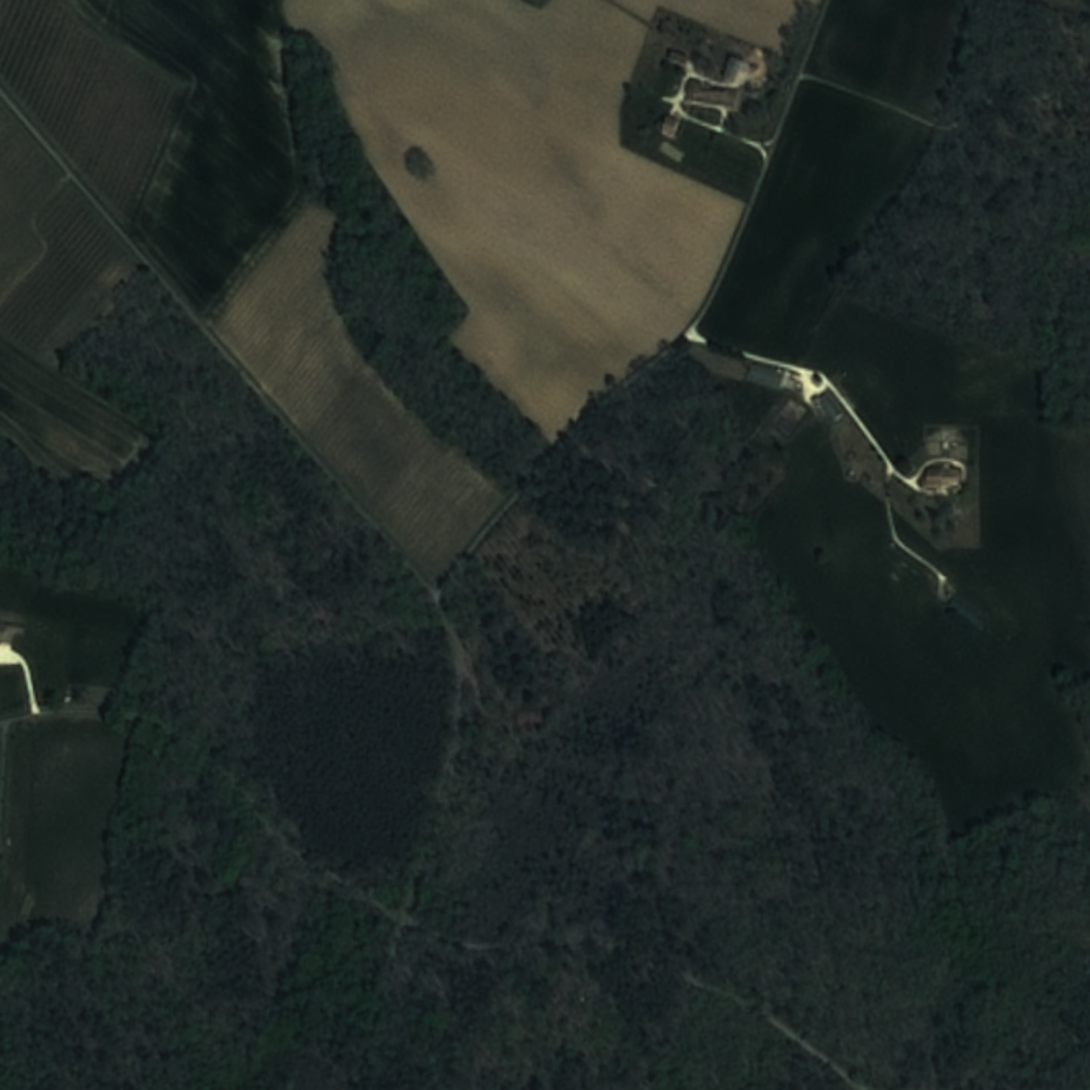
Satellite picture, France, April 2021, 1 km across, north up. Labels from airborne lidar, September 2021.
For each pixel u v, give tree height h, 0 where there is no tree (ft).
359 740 72
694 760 61
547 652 31
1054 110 42
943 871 52
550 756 48
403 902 63
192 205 0
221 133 0
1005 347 64
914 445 0
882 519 0
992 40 60
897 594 0
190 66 0
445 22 0
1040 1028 63
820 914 68
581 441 67
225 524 61
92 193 0
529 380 0
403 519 0
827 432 0
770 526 0
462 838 47
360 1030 77
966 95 48
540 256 0
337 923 76
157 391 66
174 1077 61
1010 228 51
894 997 62
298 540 54
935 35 0
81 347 36
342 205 67
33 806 0
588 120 0
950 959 63
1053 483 0
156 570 62
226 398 55
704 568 61
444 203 0
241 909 84
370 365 39
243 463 69
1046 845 56
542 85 0
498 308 0
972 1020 64
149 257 0
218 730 65
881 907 52
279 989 49
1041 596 0
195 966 74
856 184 0
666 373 53
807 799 66
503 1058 59
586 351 0
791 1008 34
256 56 0
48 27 0
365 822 69
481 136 0
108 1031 76
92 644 0
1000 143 61
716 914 57
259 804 64
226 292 0
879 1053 63
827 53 0
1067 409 75
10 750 0
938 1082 34
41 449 0
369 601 52
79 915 0
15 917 0
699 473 71
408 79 0
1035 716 0
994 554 0
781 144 0
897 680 0
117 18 0
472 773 52
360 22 0
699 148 0
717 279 0
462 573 45
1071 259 60
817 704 41
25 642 0
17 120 0
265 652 56
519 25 0
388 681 72
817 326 23
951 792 0
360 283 55
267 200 0
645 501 44
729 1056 73
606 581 22
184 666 58
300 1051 25
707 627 40
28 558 52
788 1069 34
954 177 52
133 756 36
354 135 56
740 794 47
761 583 49
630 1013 74
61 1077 67
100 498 58
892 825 66
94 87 0
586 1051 34
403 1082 74
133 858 59
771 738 68
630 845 58
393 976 56
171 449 52
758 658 38
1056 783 0
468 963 53
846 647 0
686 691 35
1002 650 0
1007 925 41
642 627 41
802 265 0
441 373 56
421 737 73
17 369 0
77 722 0
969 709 0
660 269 0
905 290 57
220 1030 48
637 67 0
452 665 53
